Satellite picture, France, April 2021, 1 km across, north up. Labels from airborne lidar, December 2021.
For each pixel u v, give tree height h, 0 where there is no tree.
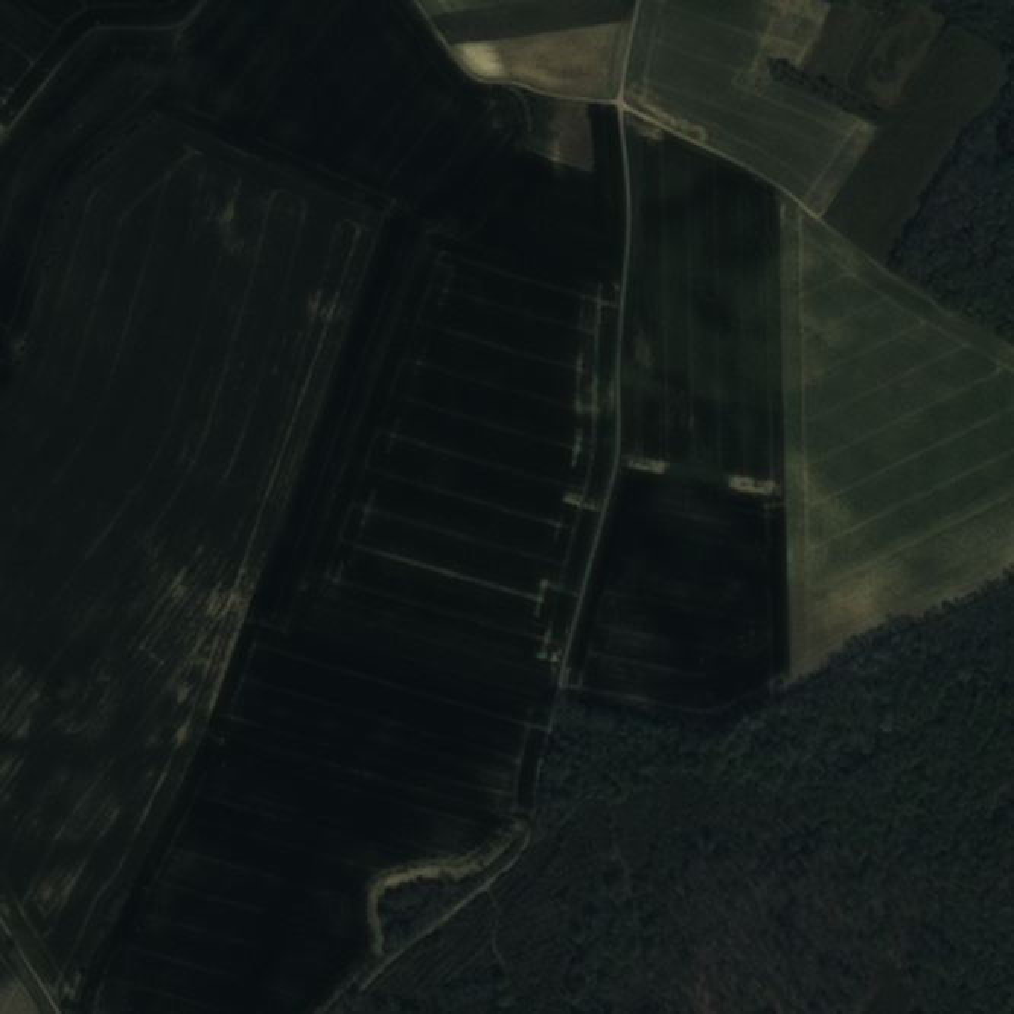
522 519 0
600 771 16
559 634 0
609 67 0
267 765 0
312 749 0
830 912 25
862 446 0
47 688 0
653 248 0
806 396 0
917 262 17
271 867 0
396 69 0
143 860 0
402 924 17
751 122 0
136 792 0
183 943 0
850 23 0
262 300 0
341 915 0
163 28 0
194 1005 0
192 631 0
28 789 0
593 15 0
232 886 0
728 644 0
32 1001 0
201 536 0
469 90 0
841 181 0
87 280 0
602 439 0
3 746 0
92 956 0
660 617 0
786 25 0
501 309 0
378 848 0
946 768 27
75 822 0
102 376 0
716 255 0
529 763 0
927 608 0
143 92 0
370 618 0
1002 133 19
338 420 0
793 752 29
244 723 0
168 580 0
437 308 0
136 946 0
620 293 0
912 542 0
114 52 0
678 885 21
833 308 0
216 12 0
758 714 23
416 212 0
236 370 0
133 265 0
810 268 0
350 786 0
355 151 0
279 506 0
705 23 0
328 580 0
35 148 0
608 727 18
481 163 0
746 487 0
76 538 0
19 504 0
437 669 0
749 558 0
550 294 0
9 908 0
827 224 0
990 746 27
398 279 0
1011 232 22
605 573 0
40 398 0
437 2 0
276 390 0
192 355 0
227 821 0
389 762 0
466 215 0
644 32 0
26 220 0
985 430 0
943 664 20
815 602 0
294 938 0
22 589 0
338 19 0
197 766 0
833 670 16
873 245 0
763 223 0
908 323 0
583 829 15
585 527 0
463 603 0
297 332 0
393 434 0
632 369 0
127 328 0
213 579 0
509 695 0
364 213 0
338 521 0
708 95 0
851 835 26
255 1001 0
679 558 0
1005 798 8
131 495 0
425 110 0
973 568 0
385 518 0
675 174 0
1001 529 0
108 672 0
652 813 9
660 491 0
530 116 0
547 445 0
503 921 13
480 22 0
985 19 10
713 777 17
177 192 0
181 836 0
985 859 22
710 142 0
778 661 0
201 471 0
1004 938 23
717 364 0
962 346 0
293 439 0
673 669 0
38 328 0
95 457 0
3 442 0
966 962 26
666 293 0
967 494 0
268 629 0
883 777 28
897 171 0
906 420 0
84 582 0
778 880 23
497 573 0
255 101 0
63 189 0
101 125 0
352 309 0
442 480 0
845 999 25
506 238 0
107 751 0
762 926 20
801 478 0
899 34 0
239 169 0
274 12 0
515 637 0
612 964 23
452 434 0
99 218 0
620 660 0
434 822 0
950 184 18
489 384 0
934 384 0
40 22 0
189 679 0
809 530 0
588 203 0
